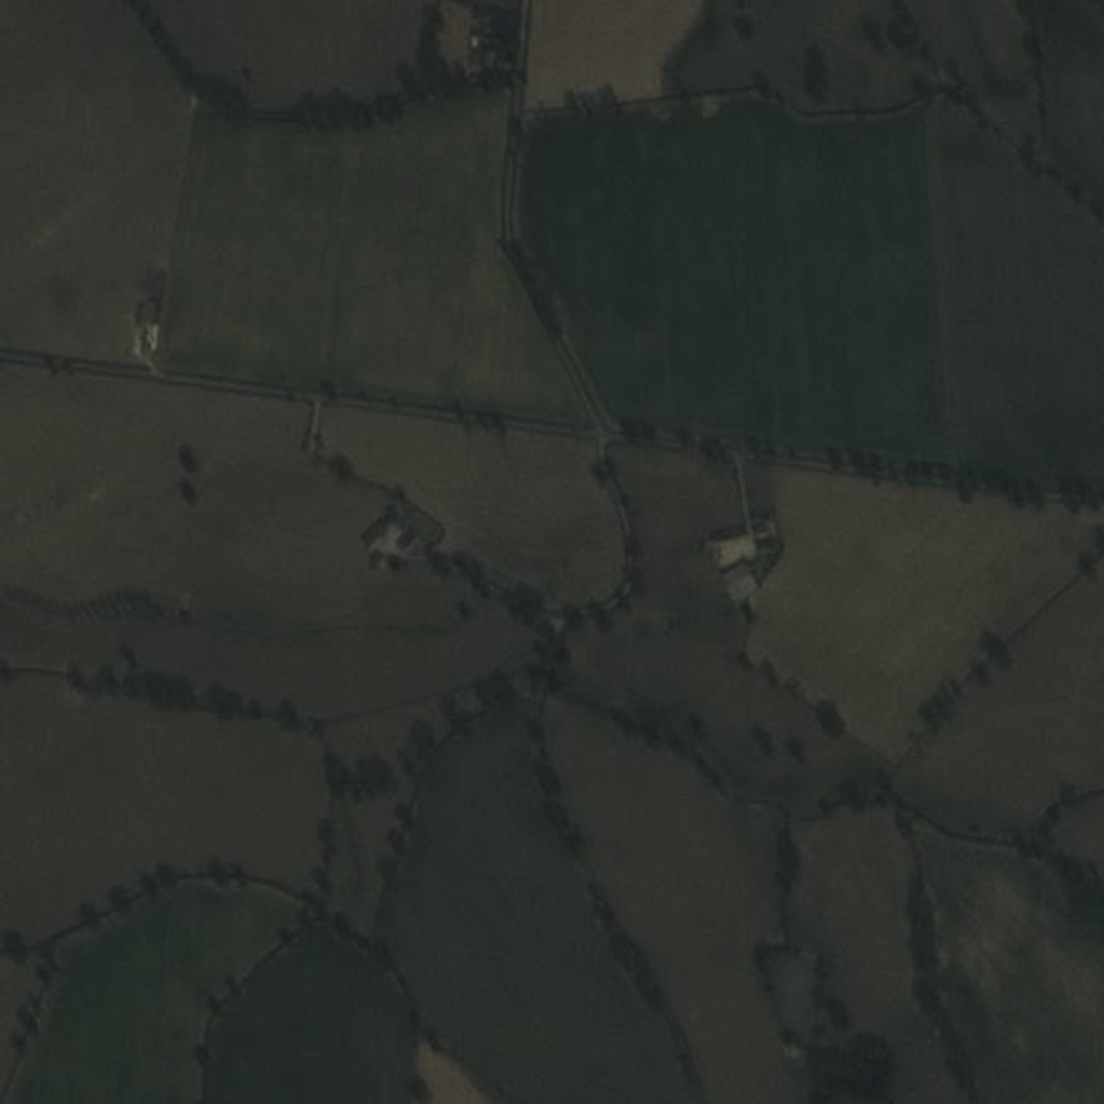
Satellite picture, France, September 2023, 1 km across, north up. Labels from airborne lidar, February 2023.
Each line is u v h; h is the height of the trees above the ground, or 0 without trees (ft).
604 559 0
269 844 0
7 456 0
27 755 0
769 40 0
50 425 0
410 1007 0
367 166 0
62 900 0
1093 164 0
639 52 0
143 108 0
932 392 0
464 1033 0
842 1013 56
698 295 0
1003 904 0
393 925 0
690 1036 0
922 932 56
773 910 0
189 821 0
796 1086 0
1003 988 0
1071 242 0
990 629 0
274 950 0
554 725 0
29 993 0
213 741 0
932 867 0
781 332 0
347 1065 0
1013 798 0
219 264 0
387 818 0
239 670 0
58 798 0
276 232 0
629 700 0
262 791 0
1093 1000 0
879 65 0
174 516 0
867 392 0
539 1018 0
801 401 0
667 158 0
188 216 0
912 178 0
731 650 0
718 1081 0
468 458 0
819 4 0
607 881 0
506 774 0
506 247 34
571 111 51
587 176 0
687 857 0
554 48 0
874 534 0
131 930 0
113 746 0
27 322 0
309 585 0
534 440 0
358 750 0
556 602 0
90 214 0
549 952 0
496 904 0
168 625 0
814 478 0
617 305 0
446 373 0
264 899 0
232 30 0
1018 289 0
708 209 0
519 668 0
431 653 0
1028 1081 0
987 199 0
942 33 0
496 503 0
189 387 0
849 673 0
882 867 0
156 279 0
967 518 0
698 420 0
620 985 0
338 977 0
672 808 0
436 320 0
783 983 0
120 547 0
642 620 0
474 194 0
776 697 0
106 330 0
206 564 0
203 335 0
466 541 0
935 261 0
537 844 0
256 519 0
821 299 0
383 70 0
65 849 0
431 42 52
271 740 0
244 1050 0
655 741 49
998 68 0
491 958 0
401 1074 0
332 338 0
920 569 0
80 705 0
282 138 0
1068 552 0
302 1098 0
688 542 0
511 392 0
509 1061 0
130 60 0
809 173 0
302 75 0
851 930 0
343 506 0
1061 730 0
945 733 0
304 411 0
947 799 0
